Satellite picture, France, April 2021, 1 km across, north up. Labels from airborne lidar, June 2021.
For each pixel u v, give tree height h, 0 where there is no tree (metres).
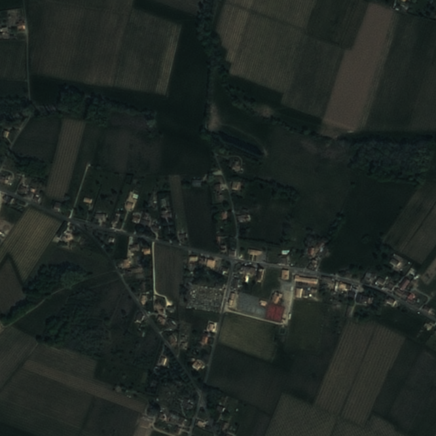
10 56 0
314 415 0
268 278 0
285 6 0
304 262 0
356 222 0
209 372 0
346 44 0
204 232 0
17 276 0
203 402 0
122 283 0
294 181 0
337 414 0
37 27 0
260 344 0
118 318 0
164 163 0
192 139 0
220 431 6
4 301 0
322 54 0
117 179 0
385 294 6
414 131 0
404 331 0
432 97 0
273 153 0
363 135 0
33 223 0
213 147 14
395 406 0
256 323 0
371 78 0
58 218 0
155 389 10
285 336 0
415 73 0
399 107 0
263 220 0
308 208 0
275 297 0
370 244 0
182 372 14
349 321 0
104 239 8
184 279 8
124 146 0
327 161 0
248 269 0
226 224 10
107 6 0
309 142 0
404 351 0
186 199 0
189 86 0
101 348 8
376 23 0
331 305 0
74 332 9
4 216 0
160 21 0
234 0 0
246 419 0
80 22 0
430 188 0
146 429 0
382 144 26
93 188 0
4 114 9
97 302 0
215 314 0
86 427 0
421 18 8
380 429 0
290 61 0
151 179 0
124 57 0
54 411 0
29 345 0
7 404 0
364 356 0
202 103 0
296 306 0
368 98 0
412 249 0
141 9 0
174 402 6
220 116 0
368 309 11
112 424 0
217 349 0
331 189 0
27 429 0
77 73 0
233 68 0
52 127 0
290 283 0
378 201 0
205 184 10
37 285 14
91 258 0
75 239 18
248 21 0
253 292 0
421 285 0
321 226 0
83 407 0
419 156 28
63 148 0
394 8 7
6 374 0
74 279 26
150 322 0
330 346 0
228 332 0
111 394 0
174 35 0
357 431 0
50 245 0
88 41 0
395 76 0
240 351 0
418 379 0
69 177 0
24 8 0
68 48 0
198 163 0
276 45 0
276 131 0
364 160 24
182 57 0
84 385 0
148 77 0
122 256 0
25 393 0
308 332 0
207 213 0
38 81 0
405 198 0
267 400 0
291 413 0
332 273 0
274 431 0
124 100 0
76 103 24
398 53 0
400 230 0
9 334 0
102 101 22
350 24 0
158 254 0
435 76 0
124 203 0
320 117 0
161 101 0
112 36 0
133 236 0
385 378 0
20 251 0
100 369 0
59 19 0
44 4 0
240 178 8
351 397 0
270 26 0
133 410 0
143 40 0
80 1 0
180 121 0
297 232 0
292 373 0
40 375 0
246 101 15
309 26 0
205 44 14
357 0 0
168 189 9
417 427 0
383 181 17
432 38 0
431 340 0
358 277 8
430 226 0
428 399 0
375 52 0
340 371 0
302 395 0
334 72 0
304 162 0
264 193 0
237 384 0
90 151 0
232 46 0
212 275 14
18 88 0
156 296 0
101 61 0
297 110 0
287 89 0
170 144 0
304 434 0
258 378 0
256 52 0
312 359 0
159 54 0
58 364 0
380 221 0
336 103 0
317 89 0
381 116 0
